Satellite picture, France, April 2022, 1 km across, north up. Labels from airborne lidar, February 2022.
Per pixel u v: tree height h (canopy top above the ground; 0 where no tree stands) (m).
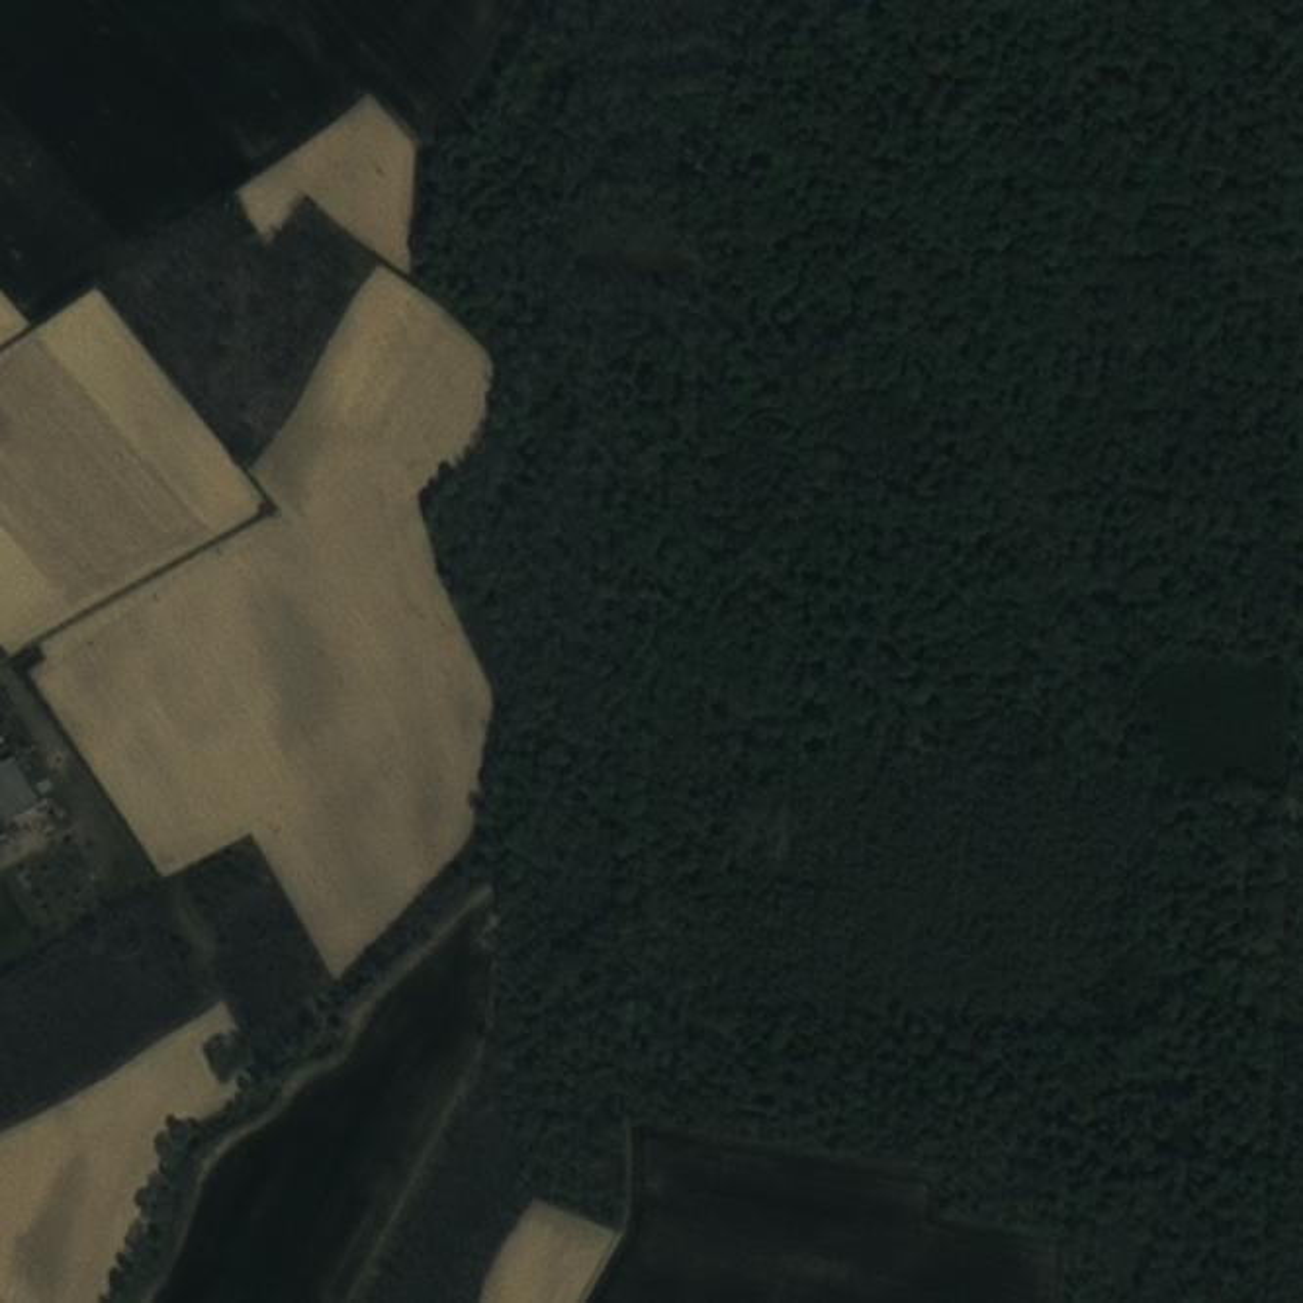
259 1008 7
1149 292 22
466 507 26
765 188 21
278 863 0
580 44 25
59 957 17
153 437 0
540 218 11
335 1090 0
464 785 0
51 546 0
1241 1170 20
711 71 22
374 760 0
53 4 0
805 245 23
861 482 22
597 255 0
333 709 0
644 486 21
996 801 16
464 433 0
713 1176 0
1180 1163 26
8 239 0
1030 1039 22
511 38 0
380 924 0
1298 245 21
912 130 19
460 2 0
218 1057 17
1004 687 14
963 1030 25
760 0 12
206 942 0
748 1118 16
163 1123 0
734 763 9
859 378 21
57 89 0
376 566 0
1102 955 15
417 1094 0
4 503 0
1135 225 20
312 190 0
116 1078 0
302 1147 0
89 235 0
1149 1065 20
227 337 16
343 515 0
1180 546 20
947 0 22
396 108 0
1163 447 22
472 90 0
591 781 25
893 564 23
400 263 0
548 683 21
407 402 0
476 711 0
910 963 17
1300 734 17
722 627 19
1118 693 25
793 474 20
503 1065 17
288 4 0
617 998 14
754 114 20
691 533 19
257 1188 0
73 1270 0
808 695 20
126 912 16
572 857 18
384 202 0
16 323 0
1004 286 20
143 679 0
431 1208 15
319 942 0
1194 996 22
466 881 16
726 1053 19
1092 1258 17
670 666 16
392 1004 0
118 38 0
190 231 13
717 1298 0
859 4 21
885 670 23
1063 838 15
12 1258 0
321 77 0
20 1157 0
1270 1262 6
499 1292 0
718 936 15
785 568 21
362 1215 0
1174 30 24
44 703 0
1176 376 18
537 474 13
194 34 0
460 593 21
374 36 0
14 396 0
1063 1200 17
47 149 0
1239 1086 24
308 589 0
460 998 0
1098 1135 17
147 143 0
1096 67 22
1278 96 19
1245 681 9
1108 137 23
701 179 19
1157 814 16
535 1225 0
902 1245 0
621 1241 0
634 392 22
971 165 22
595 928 17
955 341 22
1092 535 25
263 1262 0
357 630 0
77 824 0
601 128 19
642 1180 0
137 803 0
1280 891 22
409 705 0
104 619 0
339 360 0
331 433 0
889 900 16
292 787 0
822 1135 22
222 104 0
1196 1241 21
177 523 0
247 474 0
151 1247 21
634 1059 21
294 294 17
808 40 22
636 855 18
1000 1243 0
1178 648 16
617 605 20
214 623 0
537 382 26
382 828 0
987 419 23
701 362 22
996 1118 21
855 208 17
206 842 0
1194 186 22
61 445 0
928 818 15
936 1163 11
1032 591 22
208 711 0
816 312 21
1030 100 22
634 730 22
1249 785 24
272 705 0
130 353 0
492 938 0
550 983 20
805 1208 0
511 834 21
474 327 7
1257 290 21
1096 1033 22
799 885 16
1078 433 21
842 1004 18
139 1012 14
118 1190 0
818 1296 0
